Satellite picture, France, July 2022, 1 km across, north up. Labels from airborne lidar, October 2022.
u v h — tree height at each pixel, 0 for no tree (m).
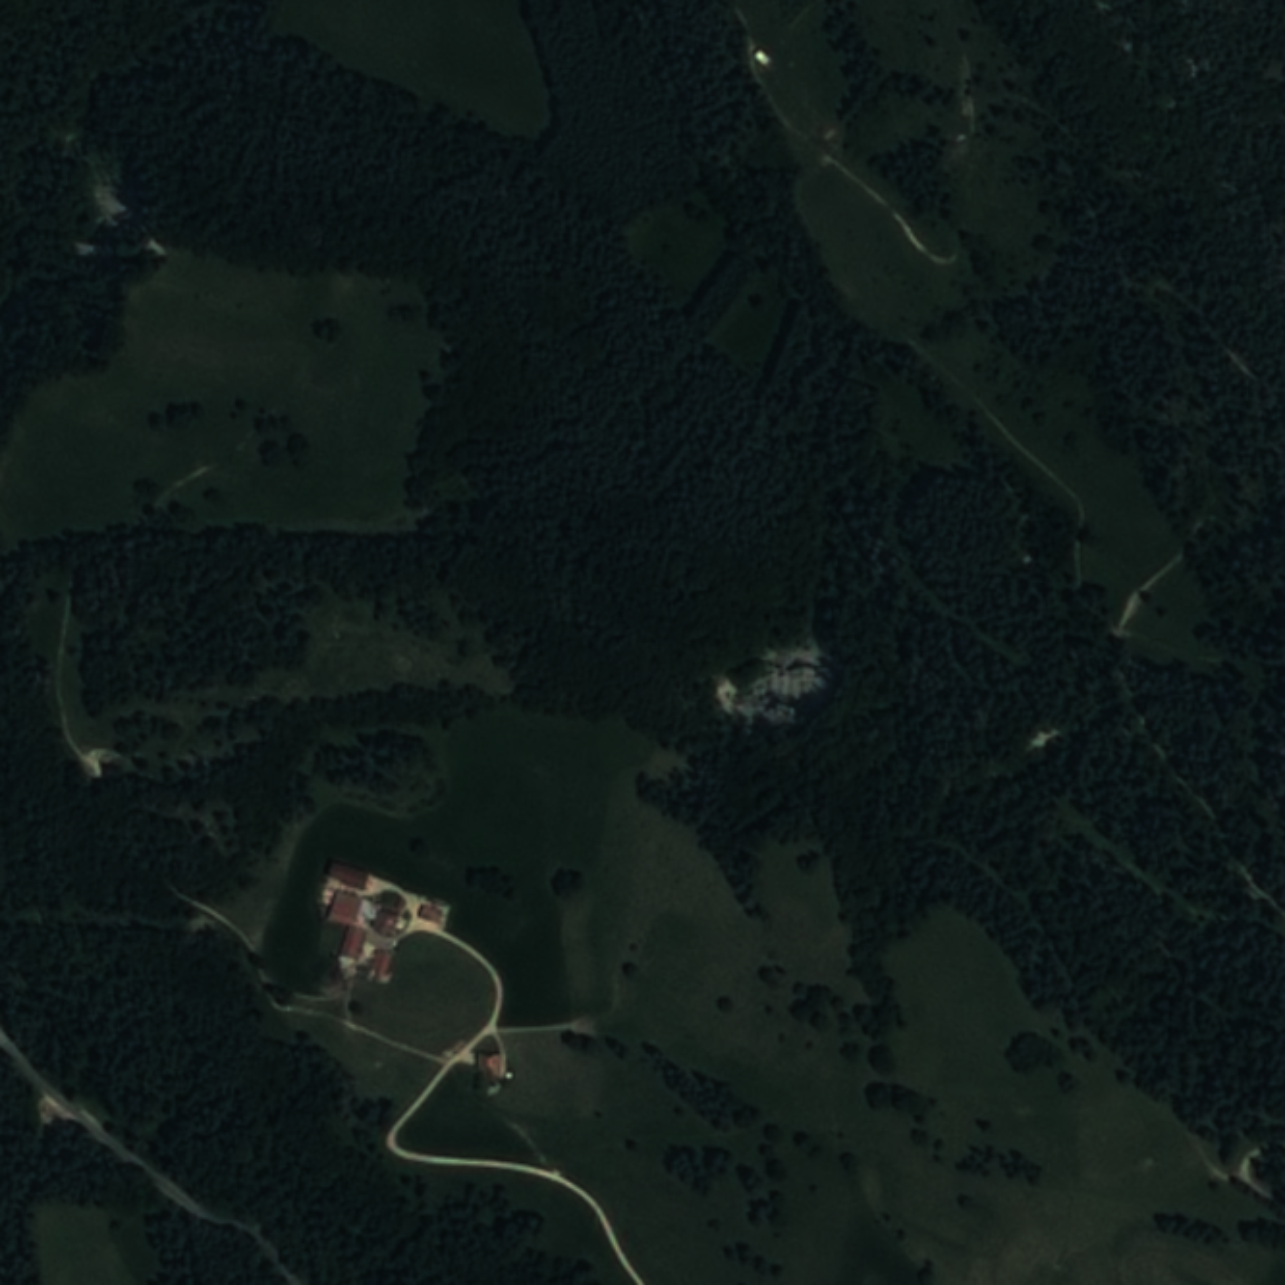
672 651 24
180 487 0
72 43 13
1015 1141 0
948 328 8
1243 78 13
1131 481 0
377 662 0
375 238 31
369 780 25
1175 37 14
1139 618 0
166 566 13
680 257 0
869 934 14
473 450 21
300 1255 23
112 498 0
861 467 33
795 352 19
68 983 17
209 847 16
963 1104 0
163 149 29
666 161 25
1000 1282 0
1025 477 6
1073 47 22
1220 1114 23
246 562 12
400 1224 21
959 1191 0
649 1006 0
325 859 0
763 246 20
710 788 27
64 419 0
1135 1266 0
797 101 0
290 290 0
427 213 32
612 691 15
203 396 0
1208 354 23
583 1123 0
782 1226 9
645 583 35
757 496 30
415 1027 0
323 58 18
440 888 0
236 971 19
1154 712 26
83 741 0
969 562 21
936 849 9
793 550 23
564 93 24
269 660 15
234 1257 26
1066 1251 0
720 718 16
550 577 37
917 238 0
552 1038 0
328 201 27
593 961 0
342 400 0
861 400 24
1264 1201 13
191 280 0
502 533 28
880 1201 0
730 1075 0
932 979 0
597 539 29
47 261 9
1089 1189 0
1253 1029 25
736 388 30
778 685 0
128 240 10
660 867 0
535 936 0
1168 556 0
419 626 15
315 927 0
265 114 25
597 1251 0
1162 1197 0
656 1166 0
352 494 0
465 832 0
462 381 13
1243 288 19
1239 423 27
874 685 16
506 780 0
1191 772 26
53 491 0
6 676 21
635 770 0
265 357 0
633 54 23
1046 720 25
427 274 21
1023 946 20
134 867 20
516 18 0
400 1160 0
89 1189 26
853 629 23
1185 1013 33
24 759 25
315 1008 0
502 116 0
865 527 21
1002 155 0
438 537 22
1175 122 15
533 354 30
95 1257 0
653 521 30
